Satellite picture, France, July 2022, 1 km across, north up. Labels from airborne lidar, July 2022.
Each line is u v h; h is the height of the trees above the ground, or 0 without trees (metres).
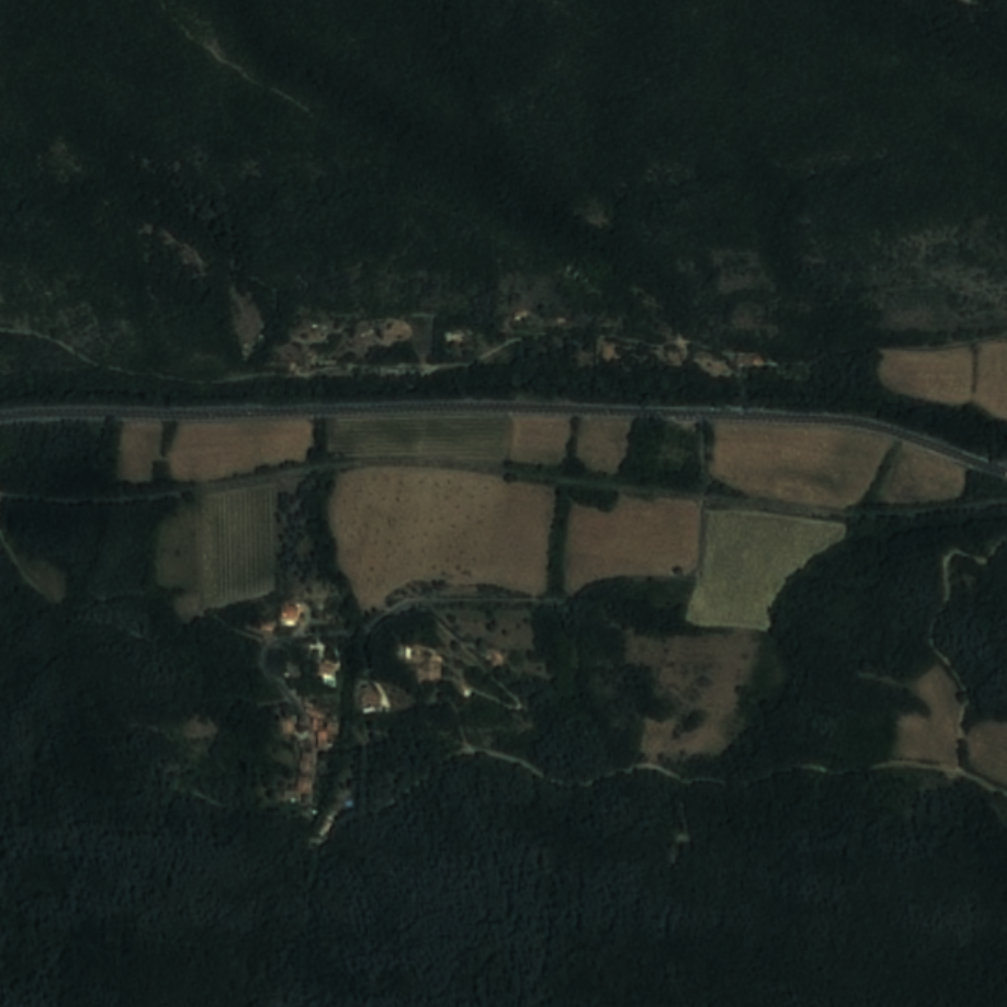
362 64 8
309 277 8
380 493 0
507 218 12
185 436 0
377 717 7
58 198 8
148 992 15
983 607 19
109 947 23
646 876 13
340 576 12
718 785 11
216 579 0
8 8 6
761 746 11
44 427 6
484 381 21
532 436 0
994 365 0
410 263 6
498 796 13
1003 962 21
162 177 13
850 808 14
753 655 0
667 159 8
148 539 7
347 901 8
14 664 10
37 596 12
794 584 6
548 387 16
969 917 16
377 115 13
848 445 0
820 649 7
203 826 14
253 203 6
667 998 11
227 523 0
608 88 12
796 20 5
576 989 11
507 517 0
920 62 10
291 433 0
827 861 17
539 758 14
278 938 11
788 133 6
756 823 8
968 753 9
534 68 7
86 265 8
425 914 10
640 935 13
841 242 5
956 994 16
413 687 12
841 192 6
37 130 7
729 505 0
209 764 8
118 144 15
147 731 7
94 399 10
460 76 15
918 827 9
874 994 15
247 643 8
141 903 16
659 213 6
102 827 17
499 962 18
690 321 8
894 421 7
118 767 21
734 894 10
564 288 6
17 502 15
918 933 8
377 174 8
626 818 13
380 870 8
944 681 0
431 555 0
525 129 6
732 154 10
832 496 0
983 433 18
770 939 12
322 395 13
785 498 0
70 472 15
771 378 12
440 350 10
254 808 9
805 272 14
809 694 10
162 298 8
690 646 0
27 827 17
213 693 14
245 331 0
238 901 15
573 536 0
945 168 6
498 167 15
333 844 13
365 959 14
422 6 16
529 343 8
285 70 13
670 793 11
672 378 12
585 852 17
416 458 0
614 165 9
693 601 0
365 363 9
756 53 7
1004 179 7
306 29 7
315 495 18
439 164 13
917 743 0
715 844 11
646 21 9
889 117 7
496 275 9
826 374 12
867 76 7
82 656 8
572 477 8
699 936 13
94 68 7
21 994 14
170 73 7
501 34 7
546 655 6
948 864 10
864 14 11
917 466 0
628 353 6
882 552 12
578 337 13
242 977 9
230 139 8
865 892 15
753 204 9
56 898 17
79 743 16
